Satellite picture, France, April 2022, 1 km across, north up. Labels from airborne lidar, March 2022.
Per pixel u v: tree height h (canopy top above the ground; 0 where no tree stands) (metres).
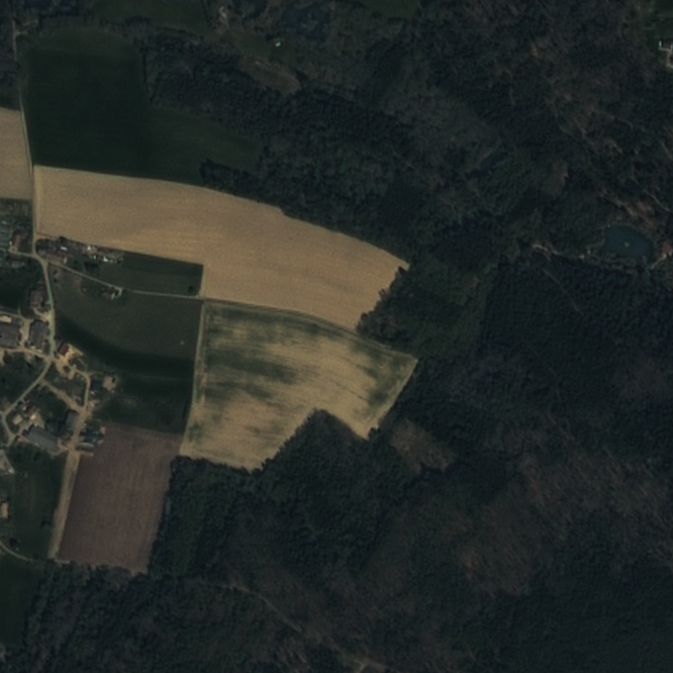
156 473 0
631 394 19
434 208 14
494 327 22
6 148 0
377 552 22
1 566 0
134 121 0
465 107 17
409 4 0
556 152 28
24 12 23
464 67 15
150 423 0
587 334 18
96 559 0
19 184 0
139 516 0
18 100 21
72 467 0
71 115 0
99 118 0
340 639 16
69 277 0
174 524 22
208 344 0
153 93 13
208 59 7
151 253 0
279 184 18
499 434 26
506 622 24
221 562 20
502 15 26
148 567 0
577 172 27
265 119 20
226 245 0
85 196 0
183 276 0
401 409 12
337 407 0
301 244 0
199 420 0
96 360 0
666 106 23
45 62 0
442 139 17
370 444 10
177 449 0
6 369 0
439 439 10
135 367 0
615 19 31
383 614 19
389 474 15
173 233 0
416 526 17
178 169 0
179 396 0
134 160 0
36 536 0
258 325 0
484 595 16
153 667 8
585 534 19
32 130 0
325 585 30
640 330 28
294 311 0
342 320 0
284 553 23
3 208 0
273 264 0
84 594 23
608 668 15
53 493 0
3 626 0
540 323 16
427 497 23
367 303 0
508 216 14
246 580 16
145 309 0
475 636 21
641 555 20
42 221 0
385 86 21
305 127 23
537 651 17
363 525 16
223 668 10
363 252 0
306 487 18
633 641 18
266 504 16
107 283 0
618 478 23
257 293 0
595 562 13
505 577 16
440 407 24
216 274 0
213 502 14
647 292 21
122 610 21
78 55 0
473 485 20
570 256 7
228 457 0
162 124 0
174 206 0
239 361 0
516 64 21
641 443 20
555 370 21
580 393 21
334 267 0
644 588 16
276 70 0
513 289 22
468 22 23
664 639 14
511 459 14
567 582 16
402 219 19
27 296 0
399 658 15
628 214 19
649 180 7
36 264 6
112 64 0
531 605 18
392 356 0
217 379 0
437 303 12
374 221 25
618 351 26
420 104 14
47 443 0
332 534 17
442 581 16
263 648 12
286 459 16
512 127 19
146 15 0
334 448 15
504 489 14
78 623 21
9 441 0
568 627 16
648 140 17
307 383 0
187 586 23
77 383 0
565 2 33
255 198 10
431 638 17
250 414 0
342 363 0
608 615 13
